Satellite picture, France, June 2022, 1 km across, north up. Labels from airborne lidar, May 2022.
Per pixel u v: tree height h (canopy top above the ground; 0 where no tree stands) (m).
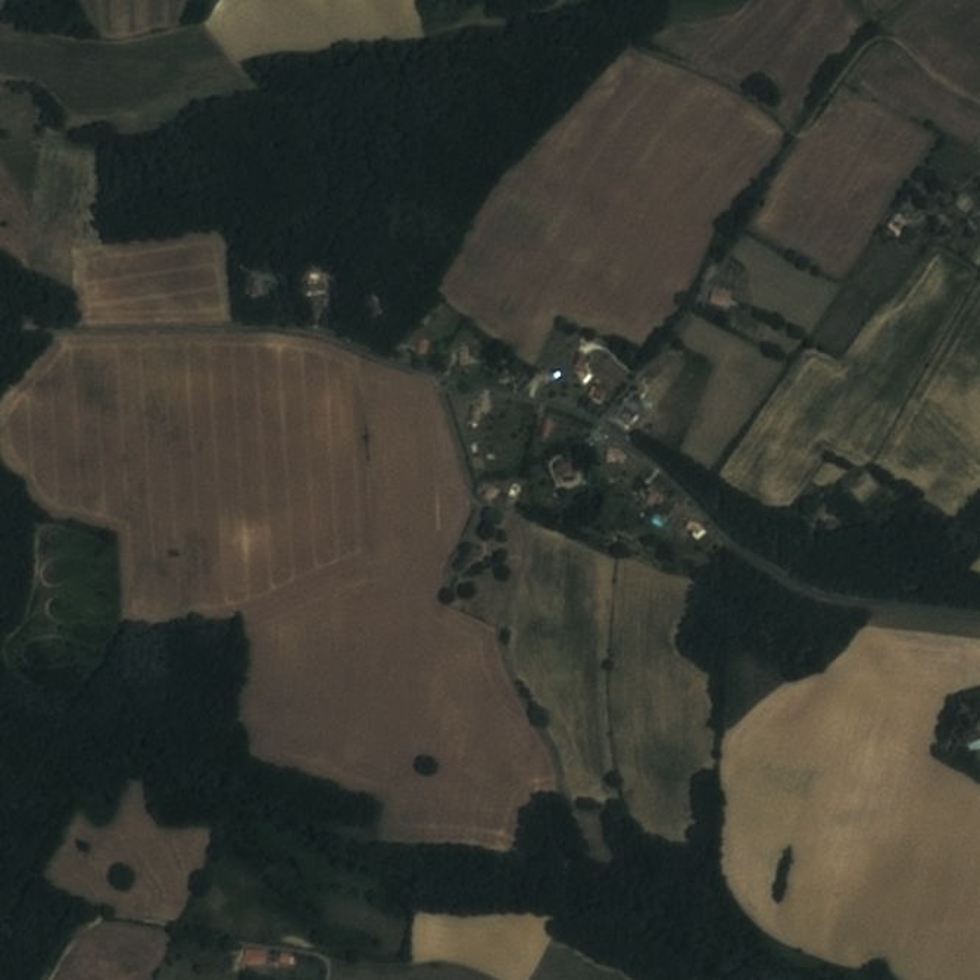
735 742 0
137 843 0
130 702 16
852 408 0
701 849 20
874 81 0
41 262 0
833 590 11
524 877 26
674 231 0
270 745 0
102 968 0
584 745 0
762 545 13
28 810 18
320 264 21
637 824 16
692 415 0
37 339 14
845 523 14
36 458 0
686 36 0
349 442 0
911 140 0
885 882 0
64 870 0
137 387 0
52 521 7
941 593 17
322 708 0
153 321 0
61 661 7
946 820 0
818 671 14
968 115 0
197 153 19
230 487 0
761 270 0
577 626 0
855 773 0
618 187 0
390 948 0
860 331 0
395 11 0
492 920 0
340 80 24
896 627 0
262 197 21
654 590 0
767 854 0
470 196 12
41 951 14
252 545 0
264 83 10
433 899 20
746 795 0
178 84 0
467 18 0
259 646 0
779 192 0
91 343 0
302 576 0
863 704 0
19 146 0
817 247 0
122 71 0
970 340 0
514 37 21
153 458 0
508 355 15
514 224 0
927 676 0
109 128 20
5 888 21
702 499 13
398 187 16
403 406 0
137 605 0
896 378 0
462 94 19
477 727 0
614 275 0
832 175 0
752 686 0
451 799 0
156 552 0
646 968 14
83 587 0
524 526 0
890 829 0
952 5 0
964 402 0
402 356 9
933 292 0
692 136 0
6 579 17
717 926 19
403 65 10
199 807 10
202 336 0
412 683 0
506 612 0
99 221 16
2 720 23
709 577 13
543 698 0
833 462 9
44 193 0
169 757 34
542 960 0
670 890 19
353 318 17
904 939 0
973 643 0
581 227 0
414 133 20
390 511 0
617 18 15
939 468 0
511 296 0
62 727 22
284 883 17
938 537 9
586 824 0
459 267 0
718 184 0
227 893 0
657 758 0
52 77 0
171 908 0
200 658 18
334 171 18
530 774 0
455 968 0
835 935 0
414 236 14
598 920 21
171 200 20
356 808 22
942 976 0
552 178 0
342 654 0
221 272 0
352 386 0
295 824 33
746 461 0
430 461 0
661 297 0
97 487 0
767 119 0
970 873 0
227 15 0
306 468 0
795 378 0
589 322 0
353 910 0
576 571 0
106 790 22
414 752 0
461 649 0
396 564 0
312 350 0
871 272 0
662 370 0
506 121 12
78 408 0
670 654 0
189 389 0
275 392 0
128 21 0
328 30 0
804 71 0
